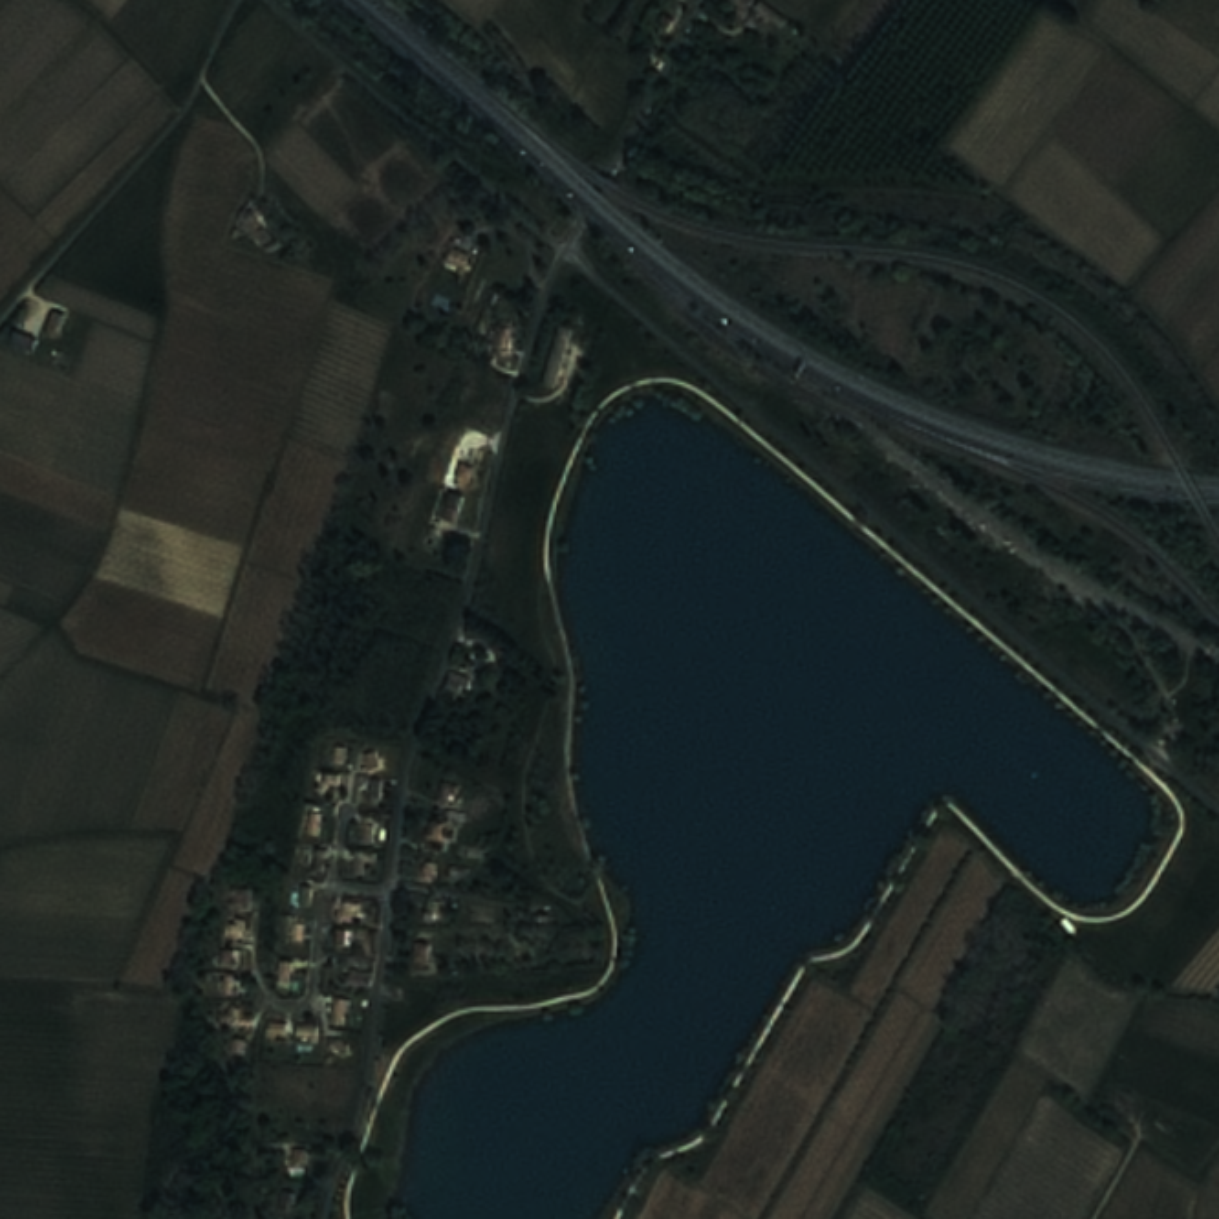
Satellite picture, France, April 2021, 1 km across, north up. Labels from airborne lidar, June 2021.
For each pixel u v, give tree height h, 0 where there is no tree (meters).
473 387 0
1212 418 10
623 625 0
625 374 0
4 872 0
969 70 22
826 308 6
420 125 10
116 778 0
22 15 0
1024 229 10
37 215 0
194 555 0
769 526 0
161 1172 9
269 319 0
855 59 9
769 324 0
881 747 0
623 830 0
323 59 0
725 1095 8
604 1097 0
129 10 0
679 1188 0
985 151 0
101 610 0
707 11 10
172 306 0
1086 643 0
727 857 0
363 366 0
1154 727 15
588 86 0
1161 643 18
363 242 0
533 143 0
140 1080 0
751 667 0
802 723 0
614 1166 0
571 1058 0
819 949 0
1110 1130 10
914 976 0
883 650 0
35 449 0
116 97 0
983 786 0
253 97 0
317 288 0
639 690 0
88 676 0
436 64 0
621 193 0
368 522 8
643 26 8
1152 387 6
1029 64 0
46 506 0
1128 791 0
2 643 0
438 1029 0
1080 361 12
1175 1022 0
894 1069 0
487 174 13
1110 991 0
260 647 0
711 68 12
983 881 0
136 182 0
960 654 0
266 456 0
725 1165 0
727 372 0
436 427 13
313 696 8
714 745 0
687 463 0
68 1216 0
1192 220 0
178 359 0
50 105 0
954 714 0
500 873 18
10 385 0
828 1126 0
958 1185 0
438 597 7
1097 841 0
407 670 7
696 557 0
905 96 22
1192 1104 0
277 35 0
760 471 0
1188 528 17
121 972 0
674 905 0
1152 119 0
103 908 0
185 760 0
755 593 0
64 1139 0
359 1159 13
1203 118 0
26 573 0
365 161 0
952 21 23
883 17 8
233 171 0
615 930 0
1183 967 0
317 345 0
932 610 0
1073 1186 0
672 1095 0
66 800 0
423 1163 0
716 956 0
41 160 0
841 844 0
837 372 0
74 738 0
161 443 0
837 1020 0
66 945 0
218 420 0
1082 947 9
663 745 0
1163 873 0
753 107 22
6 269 0
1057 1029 0
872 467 8
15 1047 0
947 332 18
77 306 0
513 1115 0
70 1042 0
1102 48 0
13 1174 0
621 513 0
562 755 0
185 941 12
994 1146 0
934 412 0
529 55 0
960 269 0
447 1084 0
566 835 0
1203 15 0
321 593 14
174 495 0
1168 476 0
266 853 6
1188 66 0
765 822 0
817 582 0
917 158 17
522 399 7
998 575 0
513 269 0
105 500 0
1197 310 0
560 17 0
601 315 0
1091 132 0
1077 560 10
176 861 0
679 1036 0
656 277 0
